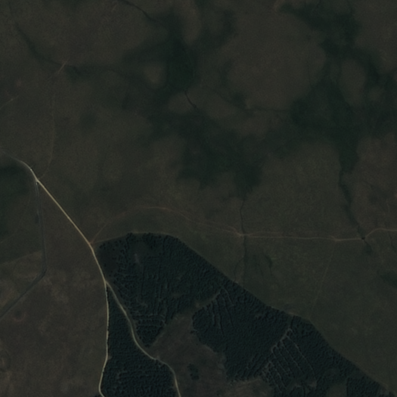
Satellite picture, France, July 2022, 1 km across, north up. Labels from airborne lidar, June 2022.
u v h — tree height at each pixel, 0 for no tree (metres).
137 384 17
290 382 7
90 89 0
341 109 0
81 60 0
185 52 0
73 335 0
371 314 0
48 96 0
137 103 0
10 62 0
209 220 0
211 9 0
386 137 0
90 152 0
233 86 0
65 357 0
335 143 0
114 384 13
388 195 0
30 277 0
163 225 0
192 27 0
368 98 0
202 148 0
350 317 0
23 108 0
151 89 0
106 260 0
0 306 0
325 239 0
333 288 0
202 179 0
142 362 15
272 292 0
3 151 0
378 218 0
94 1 0
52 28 0
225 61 0
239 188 0
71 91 0
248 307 11
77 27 0
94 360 0
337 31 0
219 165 0
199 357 0
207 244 0
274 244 0
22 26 0
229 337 9
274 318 11
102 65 0
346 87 0
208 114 0
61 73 0
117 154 0
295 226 0
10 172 0
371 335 0
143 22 0
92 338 0
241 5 0
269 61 0
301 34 0
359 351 0
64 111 0
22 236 0
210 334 11
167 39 0
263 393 0
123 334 13
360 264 0
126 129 0
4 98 0
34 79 0
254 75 0
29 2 0
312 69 0
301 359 13
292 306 0
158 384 15
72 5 0
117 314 6
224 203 0
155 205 0
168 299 9
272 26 0
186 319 0
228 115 0
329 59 0
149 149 0
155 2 0
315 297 0
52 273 0
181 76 0
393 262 0
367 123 0
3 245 0
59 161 0
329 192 0
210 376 0
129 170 0
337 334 0
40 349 0
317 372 11
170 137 0
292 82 0
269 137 0
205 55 0
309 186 0
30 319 0
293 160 0
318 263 0
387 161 0
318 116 0
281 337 13
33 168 0
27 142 0
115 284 13
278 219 0
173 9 0
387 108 0
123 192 0
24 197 0
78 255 0
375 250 0
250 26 0
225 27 0
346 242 0
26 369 0
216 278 7
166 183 0
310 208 0
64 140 0
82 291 0
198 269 8
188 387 0
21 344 0
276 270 0
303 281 0
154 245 11
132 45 0
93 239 0
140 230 0
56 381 0
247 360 13
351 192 0
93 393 0
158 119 0
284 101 0
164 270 13
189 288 10
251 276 0
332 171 0
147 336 13
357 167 0
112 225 0
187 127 0
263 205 0
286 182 0
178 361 0
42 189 0
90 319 0
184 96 0
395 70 0
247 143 0
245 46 0
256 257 0
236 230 0
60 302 0
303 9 0
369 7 0
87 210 0
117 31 0
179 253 6
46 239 0
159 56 0
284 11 0
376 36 0
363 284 0
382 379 0
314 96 0
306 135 0
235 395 0
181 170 0
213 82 0
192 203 0
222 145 0
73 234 0
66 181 0
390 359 0
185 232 0
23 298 0
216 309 12
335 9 0
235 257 0
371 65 0
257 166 0
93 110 0
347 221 0
